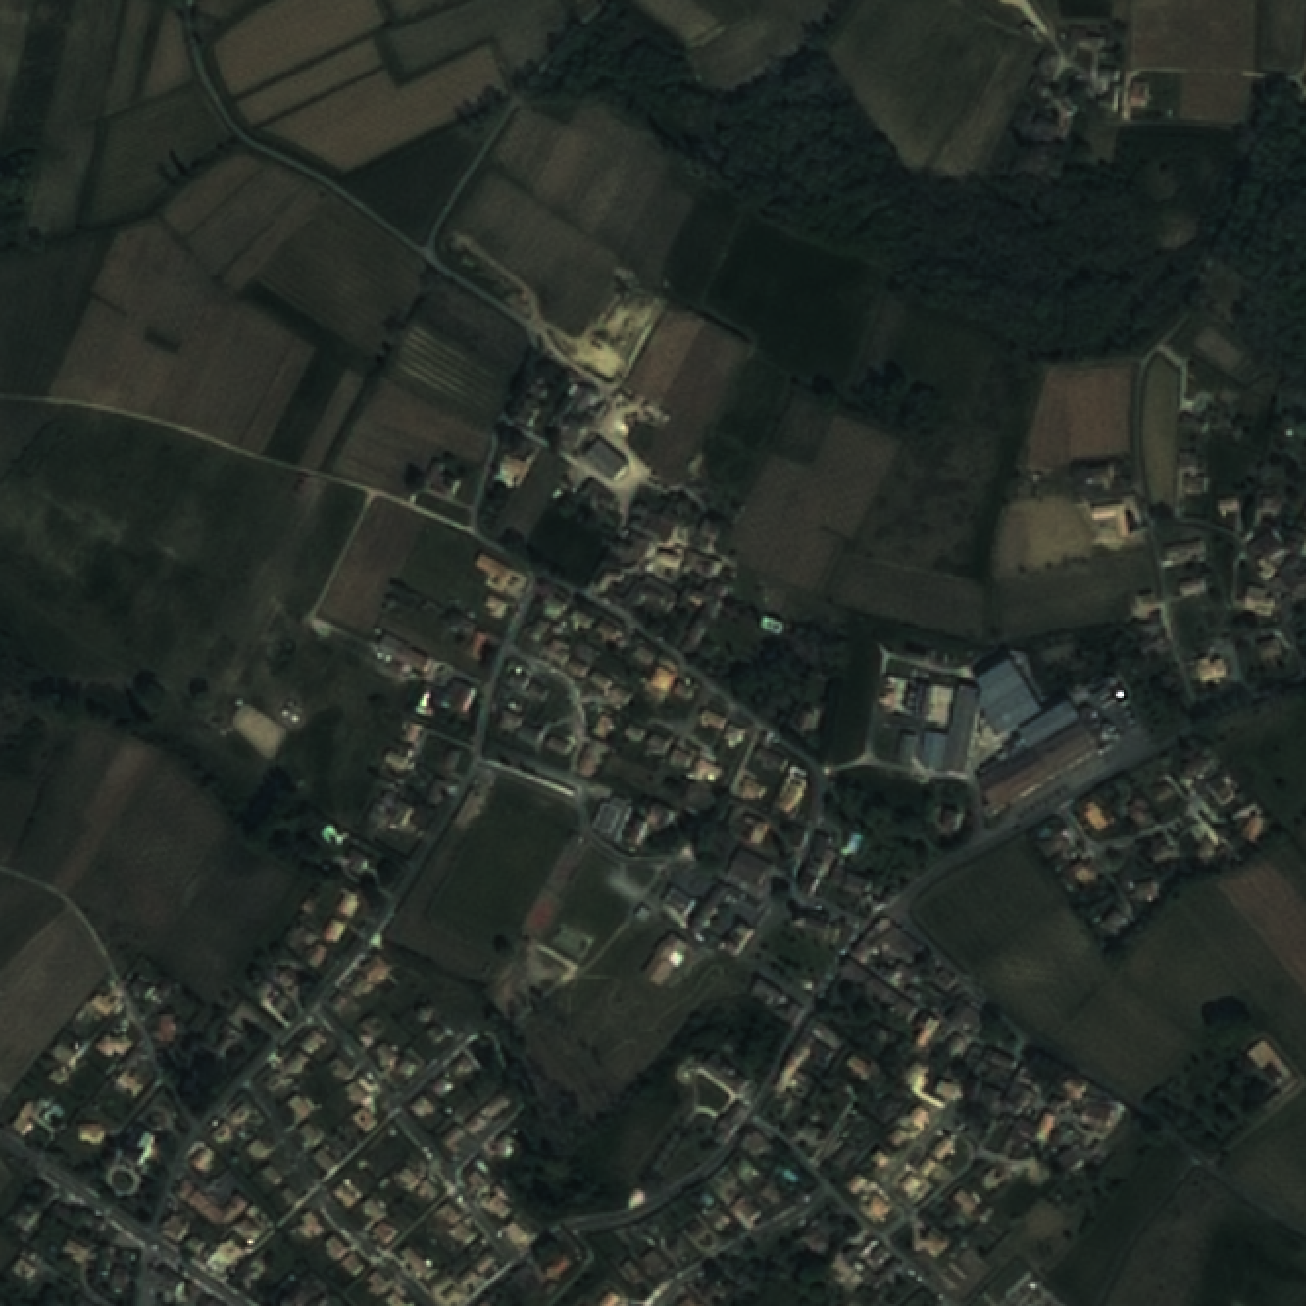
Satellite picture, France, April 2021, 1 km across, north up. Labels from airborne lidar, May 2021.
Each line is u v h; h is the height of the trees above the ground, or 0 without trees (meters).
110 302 0
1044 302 23
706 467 0
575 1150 19
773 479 0
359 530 0
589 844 0
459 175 0
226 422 0
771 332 0
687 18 0
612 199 0
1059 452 0
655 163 0
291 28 0
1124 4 0
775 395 0
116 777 0
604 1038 0
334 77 0
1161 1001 0
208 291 0
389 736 0
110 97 0
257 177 0
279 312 0
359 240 0
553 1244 13
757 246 0
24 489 0
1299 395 20
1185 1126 12
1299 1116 0
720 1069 0
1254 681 6
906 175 18
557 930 0
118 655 0
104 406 0
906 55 0
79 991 0
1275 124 17
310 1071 0
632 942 0
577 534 0
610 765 0
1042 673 11
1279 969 0
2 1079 0
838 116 21
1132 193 13
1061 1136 6
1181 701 8
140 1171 0
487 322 0
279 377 0
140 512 0
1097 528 0
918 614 0
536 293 0
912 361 0
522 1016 17
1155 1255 0
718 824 13
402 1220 0
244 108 0
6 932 0
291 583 0
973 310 12
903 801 0
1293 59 0
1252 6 0
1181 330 0
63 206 0
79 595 0
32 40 0
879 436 0
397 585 7
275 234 0
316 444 0
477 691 6
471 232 0
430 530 0
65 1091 0
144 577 0
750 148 19
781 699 23
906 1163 0
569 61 11
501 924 0
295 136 0
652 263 0
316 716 0
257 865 0
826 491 0
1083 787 0
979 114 0
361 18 0
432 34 0
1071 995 0
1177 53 0
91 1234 8
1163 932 0
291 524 0
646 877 0
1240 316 10
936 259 16
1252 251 19
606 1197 7
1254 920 0
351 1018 0
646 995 0
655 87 16
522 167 0
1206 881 10
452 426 0
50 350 0
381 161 0
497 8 0
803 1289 12
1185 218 0
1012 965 0
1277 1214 0
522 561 19
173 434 0
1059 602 0
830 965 0
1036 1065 15
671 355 0
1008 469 0
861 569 0
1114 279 10
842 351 0
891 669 0
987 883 0
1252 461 0
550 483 0
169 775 0
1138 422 0
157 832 0
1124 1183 6
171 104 0
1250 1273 0
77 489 0
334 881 13
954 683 0
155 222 0
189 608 0
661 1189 15
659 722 0
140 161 0
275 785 0
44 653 0
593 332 0
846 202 25
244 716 0
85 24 0
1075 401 0
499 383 0
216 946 0
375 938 0
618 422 0
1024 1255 0
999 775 0
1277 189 19
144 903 0
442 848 0
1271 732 0
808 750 9
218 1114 0
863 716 0
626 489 0
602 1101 19
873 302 0
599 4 0
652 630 10
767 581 0
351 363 0
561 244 0
